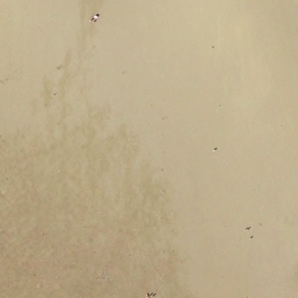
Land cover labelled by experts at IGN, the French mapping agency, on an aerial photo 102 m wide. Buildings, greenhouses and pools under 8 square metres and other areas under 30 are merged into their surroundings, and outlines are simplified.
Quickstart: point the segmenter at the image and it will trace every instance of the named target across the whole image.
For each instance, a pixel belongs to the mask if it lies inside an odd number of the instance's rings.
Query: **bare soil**
[[[0,0],[0,298],[298,298],[298,0]]]

